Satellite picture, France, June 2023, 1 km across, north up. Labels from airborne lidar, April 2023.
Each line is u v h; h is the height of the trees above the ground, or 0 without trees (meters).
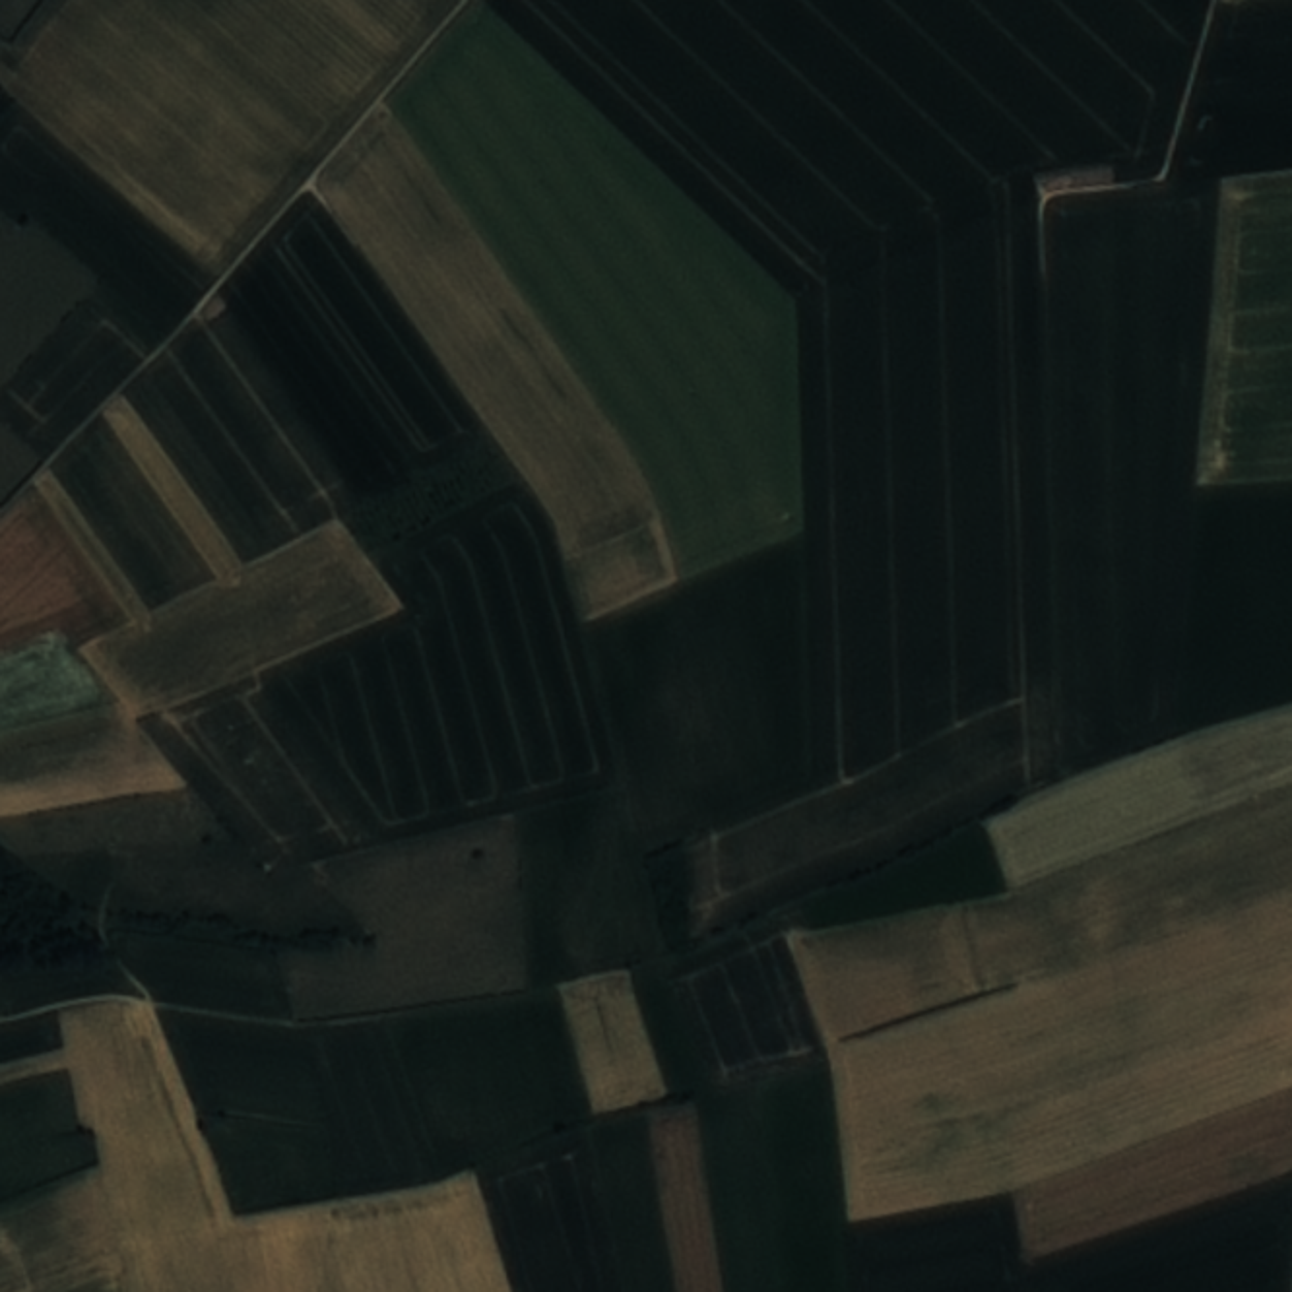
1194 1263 0
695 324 0
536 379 0
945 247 0
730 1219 0
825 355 0
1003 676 0
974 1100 0
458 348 0
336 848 0
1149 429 0
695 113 0
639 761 0
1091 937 0
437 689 0
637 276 0
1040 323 0
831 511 0
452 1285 0
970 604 0
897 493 0
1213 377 0
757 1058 0
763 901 0
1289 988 0
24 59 0
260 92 0
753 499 0
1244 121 0
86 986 0
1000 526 0
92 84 0
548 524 0
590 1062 0
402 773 0
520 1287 0
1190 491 0
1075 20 0
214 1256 0
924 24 0
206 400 0
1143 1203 0
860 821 0
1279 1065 0
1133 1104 0
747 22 0
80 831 0
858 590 0
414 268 0
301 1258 0
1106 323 0
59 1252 0
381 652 0
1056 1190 0
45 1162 0
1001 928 0
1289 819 0
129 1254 0
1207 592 0
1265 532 0
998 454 0
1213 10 0
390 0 0
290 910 0
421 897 0
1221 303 0
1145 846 0
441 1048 0
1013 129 0
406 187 0
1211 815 0
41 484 0
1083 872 0
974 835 0
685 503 0
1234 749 0
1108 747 0
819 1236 0
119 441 0
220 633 0
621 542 0
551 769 0
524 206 0
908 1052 0
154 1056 0
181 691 0
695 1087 0
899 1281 0
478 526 0
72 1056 0
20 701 0
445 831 0
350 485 0
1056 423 0
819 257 0
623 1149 0
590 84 0
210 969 0
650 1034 0
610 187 0
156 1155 0
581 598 0
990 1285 0
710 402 0
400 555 0
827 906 0
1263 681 0
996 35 0
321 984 0
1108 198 0
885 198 0
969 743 0
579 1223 0
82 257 0
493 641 0
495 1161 0
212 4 0
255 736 0
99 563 0
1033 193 0
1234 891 0
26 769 0
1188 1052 0
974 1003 0
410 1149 0
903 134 0
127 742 0
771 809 0
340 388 0
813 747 0
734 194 0
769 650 0
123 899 0
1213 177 0
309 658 0
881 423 0
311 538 0
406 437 0
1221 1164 0
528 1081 0
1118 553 0
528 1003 0
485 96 0
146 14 0
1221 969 0
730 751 0
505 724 0
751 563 0
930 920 0
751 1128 0
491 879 0
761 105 0
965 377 0
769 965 0
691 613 0
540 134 0
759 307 0
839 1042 0
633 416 0
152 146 0
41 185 0
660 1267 0
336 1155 0
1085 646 0
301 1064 0
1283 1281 0
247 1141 0
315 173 0
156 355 0
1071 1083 0
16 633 0
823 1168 0
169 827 0
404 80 0
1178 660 0
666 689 0
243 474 0
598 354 0
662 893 6
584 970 0
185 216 0
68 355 0
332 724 0
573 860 0
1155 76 0
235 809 0
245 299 0
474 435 0
